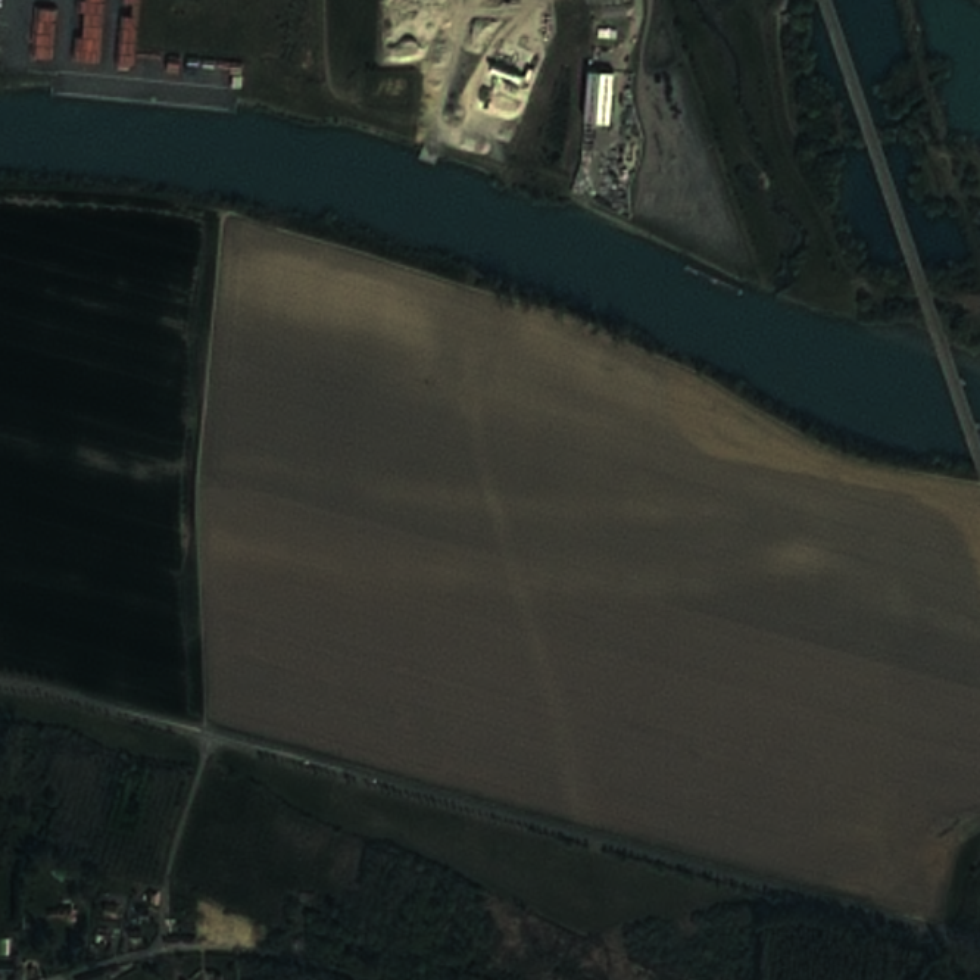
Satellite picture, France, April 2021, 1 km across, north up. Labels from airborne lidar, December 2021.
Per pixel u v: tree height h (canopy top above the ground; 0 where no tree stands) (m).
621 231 0
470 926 17
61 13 0
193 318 0
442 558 0
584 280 0
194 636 0
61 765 25
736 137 0
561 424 0
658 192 0
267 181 0
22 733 36
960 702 0
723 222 0
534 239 0
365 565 0
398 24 0
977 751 0
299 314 0
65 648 0
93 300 0
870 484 0
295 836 0
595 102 0
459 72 0
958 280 8
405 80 0
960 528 0
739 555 0
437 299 0
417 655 0
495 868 0
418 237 0
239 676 0
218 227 0
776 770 0
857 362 0
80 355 0
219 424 0
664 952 6
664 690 0
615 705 0
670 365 0
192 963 0
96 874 20
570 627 0
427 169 0
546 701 0
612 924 0
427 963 13
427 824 0
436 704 0
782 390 0
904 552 0
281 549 0
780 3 0
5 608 0
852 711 0
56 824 14
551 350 0
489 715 0
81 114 0
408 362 0
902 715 0
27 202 0
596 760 0
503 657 0
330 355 0
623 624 0
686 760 0
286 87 0
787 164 0
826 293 0
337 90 0
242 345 0
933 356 0
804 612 0
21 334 0
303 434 0
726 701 0
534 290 31
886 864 0
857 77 0
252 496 0
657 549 0
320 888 0
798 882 0
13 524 0
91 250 0
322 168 0
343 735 0
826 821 0
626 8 0
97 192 0
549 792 0
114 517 0
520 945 0
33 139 0
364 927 13
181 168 0
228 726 0
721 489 0
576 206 0
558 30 0
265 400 0
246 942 0
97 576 0
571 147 0
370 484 0
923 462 11
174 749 0
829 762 0
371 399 0
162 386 0
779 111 0
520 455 0
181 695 0
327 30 0
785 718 0
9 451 0
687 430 0
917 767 0
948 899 0
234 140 0
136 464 0
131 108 0
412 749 0
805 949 37
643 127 0
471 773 0
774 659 0
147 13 0
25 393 0
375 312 0
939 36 0
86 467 0
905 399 0
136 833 26
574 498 0
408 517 0
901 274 15
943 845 0
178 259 0
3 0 0
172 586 0
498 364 0
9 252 0
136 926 0
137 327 0
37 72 0
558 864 0
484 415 0
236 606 0
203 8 0
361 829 0
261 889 0
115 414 0
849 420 0
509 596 0
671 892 0
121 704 0
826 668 0
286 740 0
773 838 0
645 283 0
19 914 10
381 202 0
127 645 0
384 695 0
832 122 9
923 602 0
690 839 0
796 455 0
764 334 0
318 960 9
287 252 0
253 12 0
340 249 0
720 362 0
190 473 0
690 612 0
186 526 0
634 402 0
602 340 0
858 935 37
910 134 17
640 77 0
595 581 0
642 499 0
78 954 19
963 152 11
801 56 10
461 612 0
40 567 0
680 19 7
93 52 0
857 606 0
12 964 0
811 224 0
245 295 0
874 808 0
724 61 0
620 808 0
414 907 19
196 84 0
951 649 0
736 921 7
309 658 0
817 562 0
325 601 0
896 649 0
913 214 0
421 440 0
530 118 0
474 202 0
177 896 0
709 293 0
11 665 0
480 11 0
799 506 0
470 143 0
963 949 38
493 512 0
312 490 0
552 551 0
